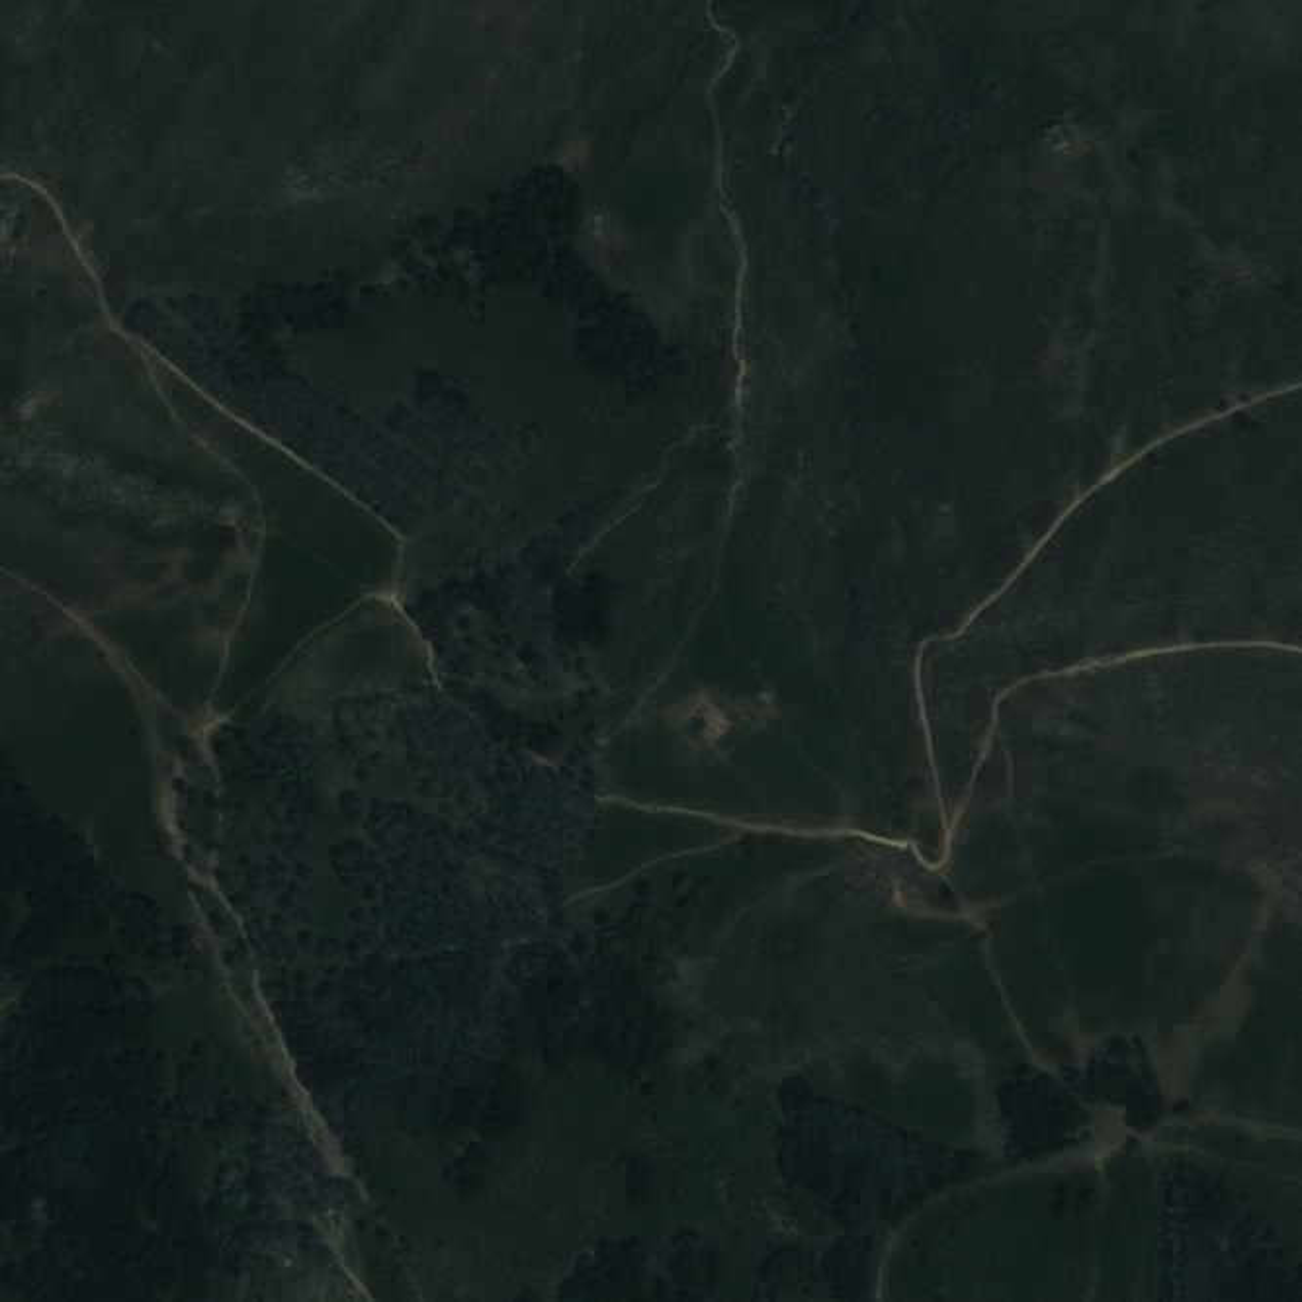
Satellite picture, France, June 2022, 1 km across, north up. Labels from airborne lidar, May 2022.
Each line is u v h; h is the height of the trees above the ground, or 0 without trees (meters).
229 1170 19
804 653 0
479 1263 0
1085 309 0
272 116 0
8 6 0
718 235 0
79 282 0
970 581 0
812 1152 29
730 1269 10
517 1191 0
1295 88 0
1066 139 0
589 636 18
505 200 15
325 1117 13
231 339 27
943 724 0
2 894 9
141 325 19
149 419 0
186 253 0
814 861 0
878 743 0
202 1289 19
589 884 0
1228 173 0
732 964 0
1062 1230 0
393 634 0
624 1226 0
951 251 0
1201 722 0
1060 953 0
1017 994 0
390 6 0
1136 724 0
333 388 0
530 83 0
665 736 0
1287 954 0
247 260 0
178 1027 0
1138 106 0
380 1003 27
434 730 22
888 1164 28
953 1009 0
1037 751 0
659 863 0
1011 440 0
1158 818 0
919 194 0
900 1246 0
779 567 0
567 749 0
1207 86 0
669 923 17
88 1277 28
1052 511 0
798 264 0
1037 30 0
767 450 0
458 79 0
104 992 26
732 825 0
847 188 0
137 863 0
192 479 0
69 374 0
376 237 0
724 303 0
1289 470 0
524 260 20
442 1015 30
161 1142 17
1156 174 0
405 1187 0
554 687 17
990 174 0
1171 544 0
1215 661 0
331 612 0
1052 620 0
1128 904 0
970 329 0
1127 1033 0
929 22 0
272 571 0
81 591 0
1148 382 0
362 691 0
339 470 22
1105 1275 0
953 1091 0
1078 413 0
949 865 0
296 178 0
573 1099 0
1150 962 0
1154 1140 0
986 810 0
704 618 0
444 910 27
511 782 24
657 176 0
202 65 0
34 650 0
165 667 0
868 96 0
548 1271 0
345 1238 0
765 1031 0
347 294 15
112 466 0
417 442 25
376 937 18
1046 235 0
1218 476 0
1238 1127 0
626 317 29
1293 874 0
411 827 24
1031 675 0
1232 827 0
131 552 0
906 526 0
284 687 0
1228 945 0
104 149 0
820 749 0
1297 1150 0
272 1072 0
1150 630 0
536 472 0
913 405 0
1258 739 0
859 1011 0
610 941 17
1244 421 11
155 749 0
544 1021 24
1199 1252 25
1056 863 0
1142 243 0
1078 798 0
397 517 19
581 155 0
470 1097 24
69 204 0
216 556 0
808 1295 10
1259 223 0
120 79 0
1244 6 0
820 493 0
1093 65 0
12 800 21
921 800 0
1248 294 0
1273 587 0
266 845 15
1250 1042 0
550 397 0
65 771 0
